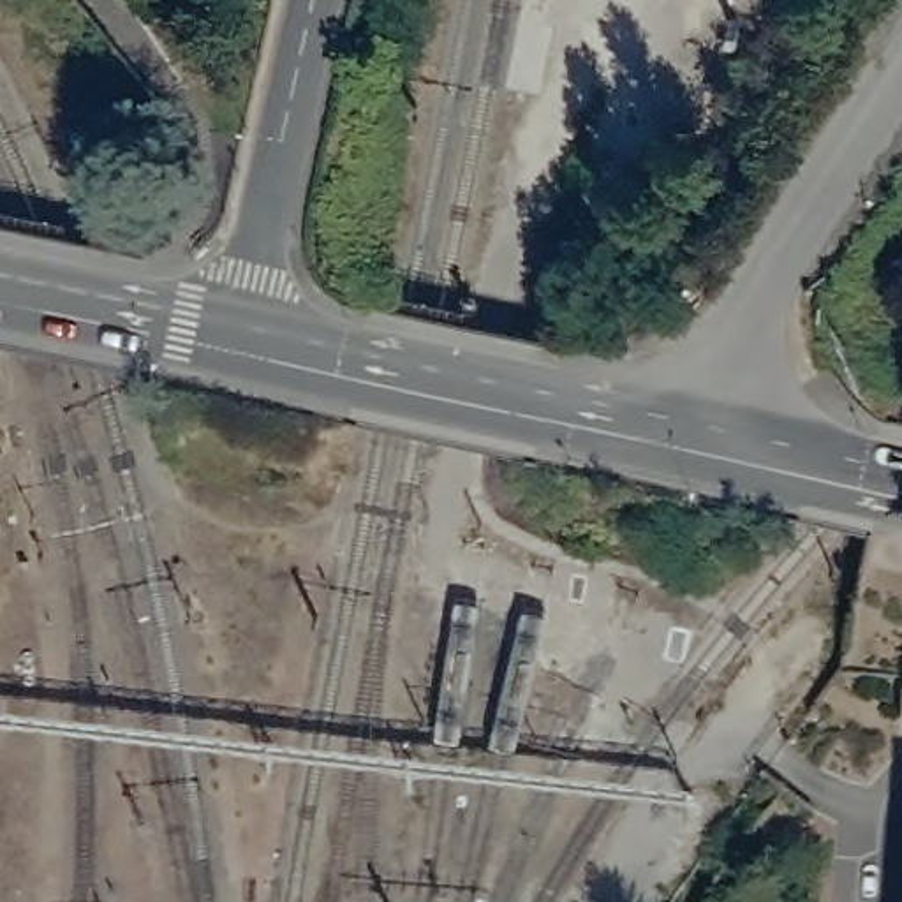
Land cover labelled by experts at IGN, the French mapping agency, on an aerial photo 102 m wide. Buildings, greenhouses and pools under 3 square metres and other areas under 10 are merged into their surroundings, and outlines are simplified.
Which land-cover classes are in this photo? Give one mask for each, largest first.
<instances>
[{"label":"pervious surface","instance_id":"1","mask_svg":"<svg viewBox=\"0 0 902 902\"><path fill-rule=\"evenodd\" d=\"M437 28L423 49L419 67L412 88L416 106H409V169L416 173V180L412 218L409 226L398 222L395 229L402 236L395 240V264L409 275L402 282L398 314L426 324L472 331L476 310L486 296L518 303L525 250L518 194L532 190L536 180L550 173V166L557 162L567 144V113L581 102L588 88L606 81V116L631 113L638 106V88L652 85L669 67L662 60L677 53L680 39L698 35L705 25H715L722 18L719 0H437ZM0 187L56 201L63 194V176L60 162L49 155V144L32 130L28 106L14 85L11 67L0 56ZM123 366L74 359L60 352L49 356V363H28L21 373L14 370L18 388L11 405V447L35 455L39 479L56 518L60 592L70 603V648L67 684H25L14 673H0V733L63 736V754H70L74 810L70 902H578L588 891L585 884L603 874V867H595L592 860L595 835L606 828V821L624 814V803H617L620 796L610 782H631L638 768L666 772L677 758L669 736L673 722H705L701 740L715 743L729 733L754 736L768 712H775L779 719H786L779 736L800 740L803 726H810L814 705L839 677L856 603L860 581L867 546L895 525H902V514L891 511L895 497L888 490H870V497H863L860 504L874 507V518H856L828 507H800L793 514V550L765 557L758 571L740 574L733 585L712 595L719 599L722 613L708 610L705 627H691L694 638L684 662L691 666L687 677L662 684L652 705L624 698L617 708L603 694V684L613 673L610 655H592L578 680L557 669H543L532 659L543 620L539 599L514 595L504 617L486 610L465 585H451L444 592V603L426 599L416 588H405L398 581V571L409 529L430 525L426 462L440 451H465L486 462L497 455L483 444L444 440L352 419L349 430L352 476L345 479V493H331V504L321 511V521L296 536L289 581L296 585L299 606L285 613V634L268 687L226 684L222 669L229 666V652L222 645V617L211 606H204V599H190L180 588V557L162 553L159 536L166 532V497L155 490L148 469L137 462L134 433L127 430L116 405L127 391L120 388Z\"/></svg>","mask_w":902,"mask_h":902},{"label":"impervious surface","instance_id":"2","mask_svg":"<svg viewBox=\"0 0 902 902\"><path fill-rule=\"evenodd\" d=\"M85 7L88 25H106V32L130 53V60H144L152 67L155 85L148 88V102H173L180 92H187L201 74L183 70V60L169 49L159 28L130 11L134 0H78ZM352 0H275L268 11L257 63L240 144L215 141L211 130H201L197 159L190 162L194 169L187 180L211 194L208 211L197 226L180 218L173 243L152 257L134 261L109 254V247L88 240L70 208L56 201L0 187V352L14 370L21 373L28 363H49V356L60 352L74 359L123 366L120 388L127 391L130 384L162 388L173 373L229 388L240 395L352 419L444 440L483 444L497 455L610 469L627 479L680 490L691 504L701 497H719L722 479H733L736 497H772L775 507L793 514L800 507H828L856 518H874V507L860 504L863 497H870V490H888L895 497L891 511L902 514V426L877 423L870 416L874 405L856 398L860 381L817 377L803 328V310L807 289L828 278L835 264H842L849 243L881 211L895 169L902 166V0H898L863 35V67H856L853 74L849 95L810 137L796 173L779 187L775 204L765 211L758 233L743 247V257L726 289L687 324V331L669 338H627L624 356L603 359L557 356L543 345H532L543 317L536 299L539 275L567 254L574 240H585L588 247L599 243L595 211L610 208L620 197V187L627 180H634L645 190V183L638 180V166H645V155L638 148L645 141V130L677 120L694 123L701 116V95H719L726 88L729 67L750 56L758 35L768 25H775V18L793 0H719L722 18L715 25H705L698 35L680 39L677 53L662 60L669 67L652 85L638 88V106L631 113L606 116V81L588 88L581 102L567 113V144L592 169V183L567 187V176L557 162L550 166V173L536 180L532 190L518 194L525 250L518 303L486 296L476 310L472 331L426 324L398 314H366L338 307L307 275V254L299 247L303 197L321 137L324 99L331 88L328 63L338 56ZM430 525L409 529L398 571V581L405 588H416L426 599L444 603V592L451 585H465L486 610L504 617L514 595L539 599L543 620L532 659L543 669H557L578 680L592 655H610L613 673L603 684V694L617 708L624 698L652 705L662 684L687 677L691 666L684 662L694 638L691 627H705L708 610L722 613L719 599L712 595H673L659 585V578L641 571L638 564L578 560L564 553L557 543H546L507 525L486 500V462L465 451H440L426 462ZM786 719H779L775 712H768L754 736L729 733L715 743L701 740L705 722H673L669 736L677 758L666 772L638 768L631 782H610L620 796L617 803H624V814L606 821V828L595 835L592 860L595 867H603V874L585 884L588 891L578 902H655V884L673 881L687 870L698 849L705 821L740 796V782L747 779L754 758L775 765L786 779H793L810 796V810H824L839 821V853H832L821 870L817 902H902V736L891 747V775H884L877 786H849L828 779L821 775V765H810L800 754V740L779 736Z\"/></svg>","mask_w":902,"mask_h":902},{"label":"deciduous trees","instance_id":"3","mask_svg":"<svg viewBox=\"0 0 902 902\"><path fill-rule=\"evenodd\" d=\"M275 0H134L130 11L159 28L169 49L183 60V70L201 74L208 78L215 95H222L233 67L250 60L257 63L268 11ZM898 0H793L775 18V25H768L758 35L750 56L729 67L726 88L719 95H701V116L694 123L677 120L645 130V141L638 148L645 155V166H638V180L645 183V190L634 180H627L620 187V197L610 208L595 211L599 243L588 247L585 240H574L567 254L539 275L536 299L543 317L532 345H543L557 356L603 359L624 356L627 338H669L687 331V324L726 289L743 257V247L758 233L765 211L775 204L779 187L796 173L810 137L849 95L853 74L856 67H863V35ZM419 67H398V46L384 39H373L370 60L338 56L328 63L331 88L338 99L352 95L377 102H391L402 88H412ZM567 176V187L592 183V169L567 144L557 162ZM874 292L881 296L891 321L902 328V233L891 236L874 257ZM162 388L173 391L166 412H155L144 423L152 430L155 455L162 465H169L176 486L211 511H218L226 500H247L261 486L296 483L307 472V458L317 447V433L331 426L349 430L352 419L240 395L229 388L173 373ZM486 500L507 525L546 543H557L564 553L578 560L638 564L641 571L659 578V585L673 595H712L733 585L740 574L758 571L765 557L793 550V514L775 507L772 497H736L733 479H722L719 497H701L691 504L680 490L627 479L610 469L497 455L486 462ZM832 853L828 842L817 839L810 846L793 842L789 849L768 846L747 867H729L726 860L705 856L698 849L687 870H705L712 877L705 902H817L821 870Z\"/></svg>","mask_w":902,"mask_h":902},{"label":"herbaceous vegetation","instance_id":"4","mask_svg":"<svg viewBox=\"0 0 902 902\"><path fill-rule=\"evenodd\" d=\"M14 0H0V56L11 67L14 85L28 106L32 130L49 144V155L60 162L63 176H70L88 155H95V148L85 141L92 137L95 116L85 109H70L63 116L60 109H53L56 70L49 63L25 56L21 21L11 7ZM257 63L250 60L233 67L222 95H215L208 78L201 74L187 92V99L197 109L201 130H211L215 141L240 144ZM18 388L14 370L0 352V673H14L25 684H67L70 648V603L60 592L56 518L39 479L35 455L11 447V405ZM137 462L148 469L155 490L166 497V532L159 536L162 553L180 557V588L190 599H204V606H211L222 617V645L229 652V666L222 669L226 684L268 687L285 634V613L299 606L296 585L289 581L296 536L321 521V511L331 504V493H345V479L352 476L349 430L331 426L317 433V447L307 458V472L296 483L261 486L247 500H226L218 511H211L176 486L169 465H162L155 455L152 430L144 423L134 433ZM863 588H874L888 599L895 595L902 603V525H895L867 546L860 581ZM856 677H881L902 687V620H884L881 610L856 603L839 677L814 705L810 726H803L800 740L810 736L814 726H839L849 719L881 733V747L870 754L867 772L853 768V747L846 740H835L824 750L821 765V775L828 779L849 786H877L884 775H891V747L902 736V715H881L877 701L853 694V684ZM74 810L70 754H63V736L0 733V902H70ZM758 832L729 835L726 860L729 867H747L768 846L789 849L793 842L810 846L817 839L828 842L832 853H839V821L824 810H810V803L796 800L786 786H775V800L754 821ZM712 877L705 870H687L673 881L655 884V902H705Z\"/></svg>","mask_w":902,"mask_h":902},{"label":"brushwood","instance_id":"5","mask_svg":"<svg viewBox=\"0 0 902 902\"><path fill-rule=\"evenodd\" d=\"M11 7L21 21L25 56L49 63L56 70L53 109H60L63 116L70 109H85L95 116H116V102L123 99L148 102V88L155 85L152 67L144 60H130V53L106 32V25H88L85 7L78 0H14ZM437 0H352L338 56L370 60L373 39H384L398 46V67H419L423 49L437 28ZM409 106H416L412 88H402L391 102H377L352 95L338 99L331 88L324 99L321 137L303 197L299 247L307 254V275L338 307L366 314H398L402 282L409 275L395 264V240L402 236L395 229L398 222L409 226L412 218L416 180V173L409 169ZM902 233V166L895 169L881 211L849 243L842 264H835L828 278L807 289L803 310V328L817 377L860 381L856 398L874 405L870 416L877 423L902 426V328L891 321L881 296L874 292V257L891 236ZM173 391L162 388L130 384L127 391L116 405L127 430L134 433L155 412H166ZM856 603L881 610L884 620H902V603L895 595L888 599L874 588H863L860 581ZM853 694L877 701L881 715H902V687L881 677H856L853 684ZM835 740H846L853 747V768L867 772L870 754L881 747V733L849 719L839 726H814L810 736L800 740V754L810 765H821L824 750ZM775 786H786L796 800L810 803V796L793 779H786L775 765L754 758L747 779L740 782V796L705 821L698 849L705 856L726 860L729 835L758 832L754 821L775 800Z\"/></svg>","mask_w":902,"mask_h":902},{"label":"coniferous trees","instance_id":"6","mask_svg":"<svg viewBox=\"0 0 902 902\"><path fill-rule=\"evenodd\" d=\"M116 116H95L92 137L85 141L95 148V155H88L70 176H63V194L56 201L70 208L88 240L109 247V254L134 261L152 257L173 243L180 218L197 226L208 211L211 194L187 180L194 169L190 162L197 159L201 130L197 109L187 99V92H180L173 102H148L123 99L116 102Z\"/></svg>","mask_w":902,"mask_h":902}]
</instances>
